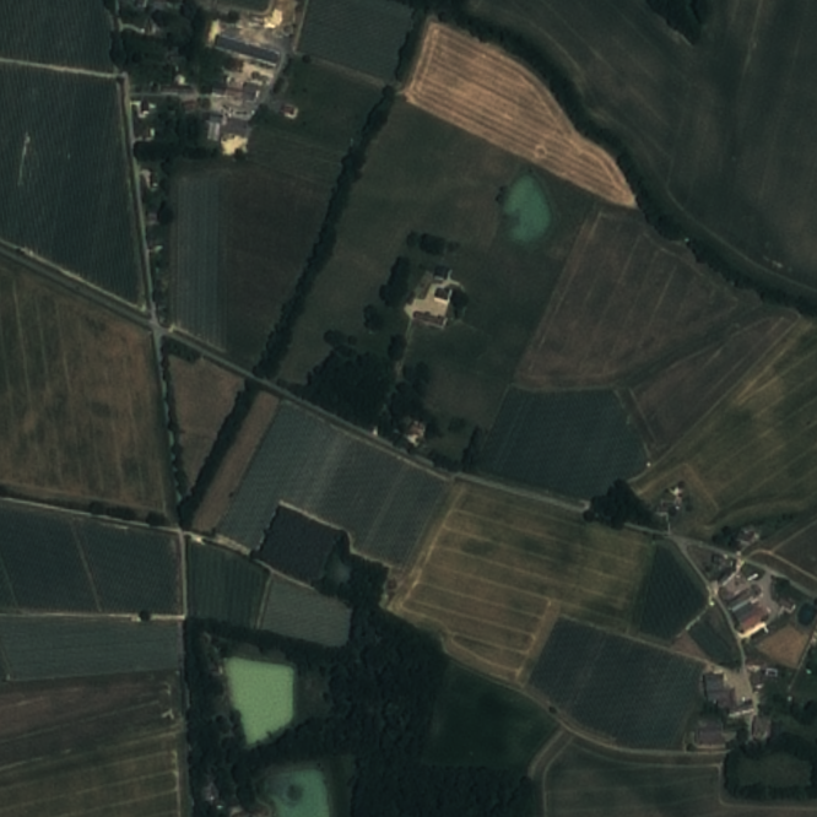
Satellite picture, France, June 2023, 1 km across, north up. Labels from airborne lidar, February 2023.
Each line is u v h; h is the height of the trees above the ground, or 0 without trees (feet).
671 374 0
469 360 0
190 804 0
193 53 42
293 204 0
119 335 0
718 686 0
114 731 0
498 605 0
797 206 0
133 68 48
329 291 0
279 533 48
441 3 70
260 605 0
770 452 0
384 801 75
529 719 0
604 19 0
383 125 52
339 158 0
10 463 0
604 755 0
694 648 0
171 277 0
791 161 0
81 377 0
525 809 63
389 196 0
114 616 0
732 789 41
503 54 0
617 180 0
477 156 0
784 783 0
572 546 0
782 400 0
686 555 0
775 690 0
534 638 0
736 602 0
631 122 0
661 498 0
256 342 0
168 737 0
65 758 0
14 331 0
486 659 0
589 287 0
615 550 0
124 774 0
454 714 0
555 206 0
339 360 73
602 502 55
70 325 0
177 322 0
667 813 0
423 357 0
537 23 0
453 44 0
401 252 0
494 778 84
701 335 0
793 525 0
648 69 0
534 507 0
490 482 0
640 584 0
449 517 0
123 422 0
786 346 0
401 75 42
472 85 0
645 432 0
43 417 0
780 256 0
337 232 37
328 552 48
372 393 83
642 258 0
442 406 0
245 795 57
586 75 0
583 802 0
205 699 63
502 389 0
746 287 51
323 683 0
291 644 62
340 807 0
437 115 0
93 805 0
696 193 0
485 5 0
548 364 0
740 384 0
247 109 0
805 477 0
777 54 0
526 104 0
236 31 0
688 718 0
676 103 0
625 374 0
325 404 57
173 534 0
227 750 49
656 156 0
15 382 0
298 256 0
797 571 0
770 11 0
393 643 81
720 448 0
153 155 62
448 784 74
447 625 0
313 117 0
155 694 0
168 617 0
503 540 0
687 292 0
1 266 0
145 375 0
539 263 0
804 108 0
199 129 29
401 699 89
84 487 0
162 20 76
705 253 57
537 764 0
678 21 73
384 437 34
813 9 0
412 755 84
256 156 0
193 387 0
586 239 0
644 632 0
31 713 0
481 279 0
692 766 0
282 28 0
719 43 0
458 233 0
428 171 0
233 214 0
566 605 0
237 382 0
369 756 72
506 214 0
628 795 0
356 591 66
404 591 0
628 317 0
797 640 0
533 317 0
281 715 0
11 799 0
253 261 0
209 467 41
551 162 0
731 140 0
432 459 37
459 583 0
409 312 0
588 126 45
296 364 0
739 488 0
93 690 0
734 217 0
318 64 0
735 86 0
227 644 24
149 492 0
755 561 0
